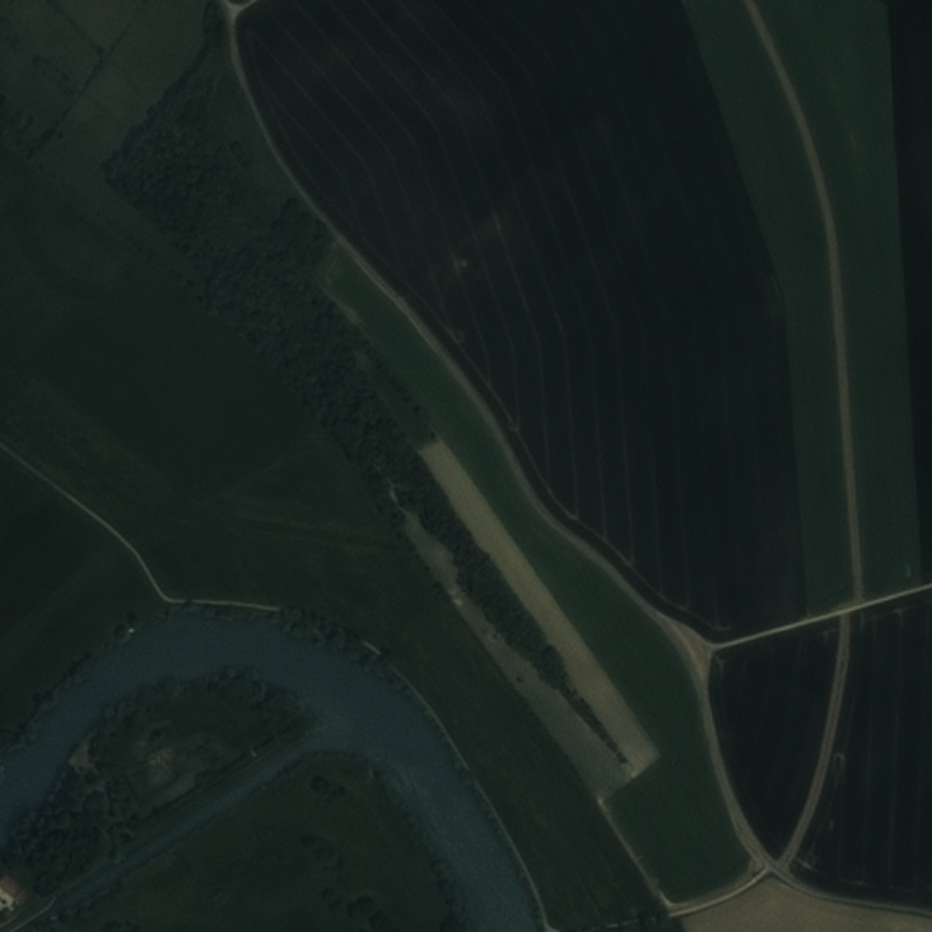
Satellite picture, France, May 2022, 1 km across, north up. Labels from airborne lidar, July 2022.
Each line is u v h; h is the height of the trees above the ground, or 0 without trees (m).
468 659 0
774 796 0
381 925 19
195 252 20
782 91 0
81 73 0
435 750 0
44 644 0
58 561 0
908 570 0
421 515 14
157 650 0
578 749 0
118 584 0
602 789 0
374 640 0
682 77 0
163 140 25
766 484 0
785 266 0
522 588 0
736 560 0
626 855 0
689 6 0
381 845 0
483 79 0
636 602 0
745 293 0
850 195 0
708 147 0
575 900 0
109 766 12
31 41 0
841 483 0
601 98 0
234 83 0
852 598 0
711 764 0
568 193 0
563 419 0
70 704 0
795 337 0
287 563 0
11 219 0
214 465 0
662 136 0
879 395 0
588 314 0
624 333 0
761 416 0
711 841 0
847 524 0
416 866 0
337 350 18
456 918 14
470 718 0
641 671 0
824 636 0
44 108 0
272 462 0
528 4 0
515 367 0
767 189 0
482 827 0
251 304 25
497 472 0
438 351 0
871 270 0
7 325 0
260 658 0
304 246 9
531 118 0
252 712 7
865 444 0
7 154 0
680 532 0
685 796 0
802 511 0
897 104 0
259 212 0
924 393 0
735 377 0
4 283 0
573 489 0
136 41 0
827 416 0
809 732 0
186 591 0
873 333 0
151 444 0
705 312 0
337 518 0
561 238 0
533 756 0
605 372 0
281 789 0
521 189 0
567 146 0
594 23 0
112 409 0
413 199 0
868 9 0
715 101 0
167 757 0
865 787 0
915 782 0
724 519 0
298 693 0
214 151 12
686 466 0
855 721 0
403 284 0
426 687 0
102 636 0
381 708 0
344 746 0
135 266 0
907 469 0
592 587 0
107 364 0
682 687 0
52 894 20
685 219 0
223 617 11
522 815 0
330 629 15
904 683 0
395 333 0
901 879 0
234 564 0
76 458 0
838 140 0
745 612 0
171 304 0
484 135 0
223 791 0
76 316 0
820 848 0
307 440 0
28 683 0
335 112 0
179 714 0
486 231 0
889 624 0
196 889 0
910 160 0
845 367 0
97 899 8
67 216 0
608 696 0
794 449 0
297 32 0
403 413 0
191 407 0
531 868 0
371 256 0
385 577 0
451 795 0
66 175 0
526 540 0
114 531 0
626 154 0
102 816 18
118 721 13
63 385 0
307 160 0
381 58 0
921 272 0
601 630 0
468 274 0
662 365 0
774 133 0
